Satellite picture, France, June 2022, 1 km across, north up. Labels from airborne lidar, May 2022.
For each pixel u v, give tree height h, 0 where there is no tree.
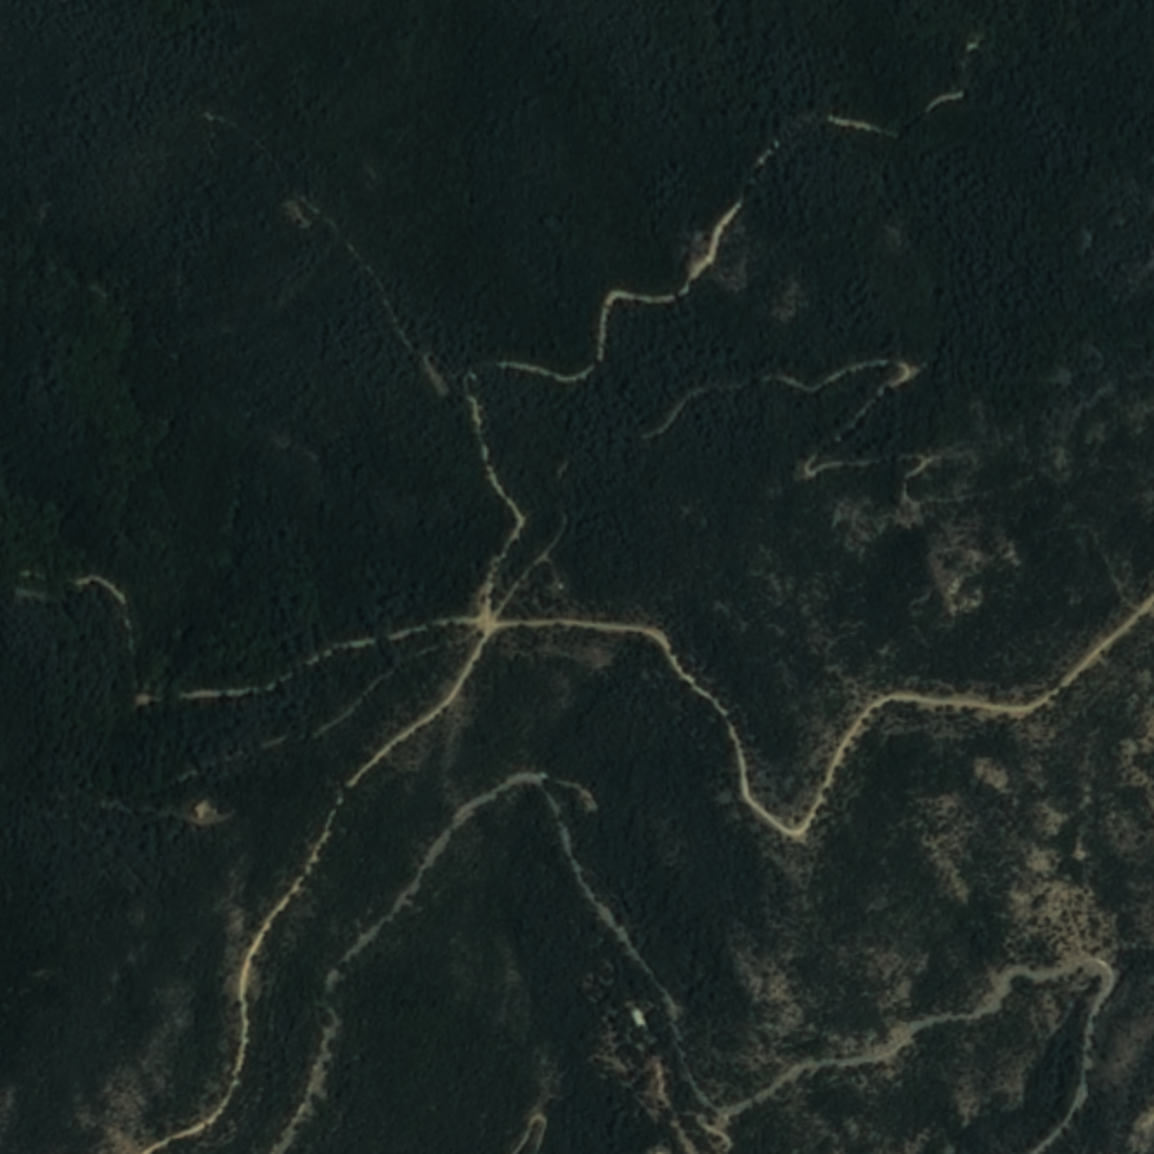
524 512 8
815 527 5
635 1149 10
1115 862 5
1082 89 11
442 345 14
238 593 12
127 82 10
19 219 9
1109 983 0
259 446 8
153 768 18
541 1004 8
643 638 6
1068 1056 7
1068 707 6
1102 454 5
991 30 13
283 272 7
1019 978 7
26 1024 8
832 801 7
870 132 7
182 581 13
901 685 6
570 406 12
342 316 6
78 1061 7
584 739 7
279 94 8
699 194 8
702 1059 7
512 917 8
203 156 9
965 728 6
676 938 12
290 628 19
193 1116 8
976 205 19
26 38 6
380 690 7
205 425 11
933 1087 5
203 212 13
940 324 8
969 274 14
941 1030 10
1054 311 10
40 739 9
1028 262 9
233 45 7
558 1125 6
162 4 15
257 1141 7
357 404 8
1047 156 15
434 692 7
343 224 12
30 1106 10
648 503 6
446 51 13
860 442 12
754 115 9
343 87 6
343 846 11
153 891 12
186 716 9
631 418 16
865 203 18
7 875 12
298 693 15
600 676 8
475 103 8
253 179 10
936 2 12
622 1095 7
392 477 7
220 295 8
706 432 12
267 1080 8
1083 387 6
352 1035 7
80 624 16
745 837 5
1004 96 8
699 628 9
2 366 13
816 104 18
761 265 6
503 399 14
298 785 9
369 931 10
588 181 8
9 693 8
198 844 6
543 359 8
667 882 6
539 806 8
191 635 16
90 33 13
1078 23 14
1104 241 6
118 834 17
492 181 9
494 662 6
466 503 7
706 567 6
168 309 7
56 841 18
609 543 11
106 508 14
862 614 6
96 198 10
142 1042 7
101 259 9
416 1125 10
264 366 7
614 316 6
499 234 6
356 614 6
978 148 11
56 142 8
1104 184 7
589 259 6
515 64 7
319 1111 7
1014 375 15
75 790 20
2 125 10
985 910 6
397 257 6
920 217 8
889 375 14
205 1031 7
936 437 7
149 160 8
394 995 9
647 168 7
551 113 8
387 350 11
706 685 9
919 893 6
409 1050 10
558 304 11
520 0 6
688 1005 7
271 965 9
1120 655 6
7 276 10
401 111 9
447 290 11
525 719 8
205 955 9
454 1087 12
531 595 7
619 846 8
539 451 8
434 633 6
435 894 6
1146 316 9
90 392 11
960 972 7
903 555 8
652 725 11
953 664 7
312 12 8
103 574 9
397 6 9
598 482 10
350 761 9
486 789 6
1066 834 7
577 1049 9
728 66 13
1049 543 6
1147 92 13
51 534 12
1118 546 6
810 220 9
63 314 9
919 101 10
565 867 9
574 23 8
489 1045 8
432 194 11
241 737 15
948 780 8
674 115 15
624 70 8
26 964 11
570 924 9
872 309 15
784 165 16
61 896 16
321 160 8
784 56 18
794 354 8
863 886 6
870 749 10
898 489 8
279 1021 7
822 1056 6
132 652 11
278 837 8
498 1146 10
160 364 11
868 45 8
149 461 13
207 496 8
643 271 9
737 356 16
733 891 6
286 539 17
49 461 9
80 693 19
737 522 6
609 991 10
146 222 8
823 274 6
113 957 6
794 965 6
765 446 11
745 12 5
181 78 14
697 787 7
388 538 8
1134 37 9
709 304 7
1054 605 6
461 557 8
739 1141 8
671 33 6
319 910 9
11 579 9
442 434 11
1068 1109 7
